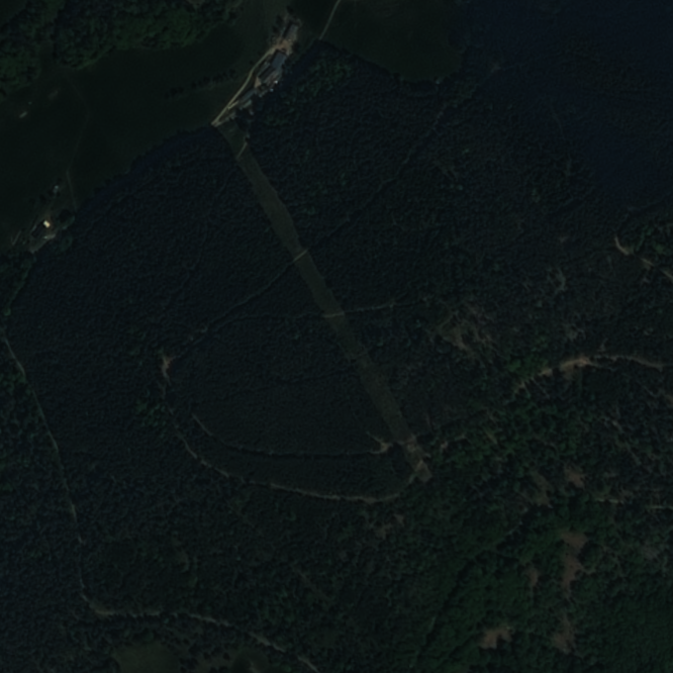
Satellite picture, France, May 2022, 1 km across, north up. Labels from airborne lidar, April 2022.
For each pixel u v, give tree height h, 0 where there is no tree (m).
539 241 21
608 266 15
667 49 22
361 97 29
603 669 18
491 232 23
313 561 10
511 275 24
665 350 12
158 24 31
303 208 19
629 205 20
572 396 12
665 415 6
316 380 23
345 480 15
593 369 10
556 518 31
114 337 23
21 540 24
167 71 0
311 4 0
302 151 26
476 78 20
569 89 18
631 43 20
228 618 14
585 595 15
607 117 22
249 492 9
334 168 22
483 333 23
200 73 0
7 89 9
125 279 26
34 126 0
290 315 19
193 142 26
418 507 13
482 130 21
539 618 16
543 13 32
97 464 16
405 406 18
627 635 24
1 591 23
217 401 19
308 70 20
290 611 12
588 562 15
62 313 26
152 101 0
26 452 29
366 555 11
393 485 18
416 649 12
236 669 0
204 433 9
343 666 9
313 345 22
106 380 27
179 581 12
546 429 27
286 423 20
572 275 17
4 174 0
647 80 19
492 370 21
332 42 0
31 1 20
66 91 0
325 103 25
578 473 8
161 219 26
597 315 23
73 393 28
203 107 0
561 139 7
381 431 17
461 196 17
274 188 15
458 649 23
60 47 24
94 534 22
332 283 19
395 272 11
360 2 0
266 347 24
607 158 21
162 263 30
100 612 0
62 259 18
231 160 24
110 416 27
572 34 23
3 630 21
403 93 19
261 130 21
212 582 12
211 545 9
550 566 22
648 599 22
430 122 22
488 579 30
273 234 17
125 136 0
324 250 19
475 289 22
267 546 10
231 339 21
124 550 10
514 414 29
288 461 18
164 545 11
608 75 19
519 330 27
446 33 0
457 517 16
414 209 10
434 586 8
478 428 27
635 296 9
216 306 18
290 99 23
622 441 23
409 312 9
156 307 23
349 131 22
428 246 12
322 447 18
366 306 13
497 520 10
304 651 23
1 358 25
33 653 17
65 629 20
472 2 19
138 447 21
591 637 12
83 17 32
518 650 22
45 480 25
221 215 22
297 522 9
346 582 7
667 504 10
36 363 22
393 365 12
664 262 16
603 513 17
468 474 13
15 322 15
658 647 23
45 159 0
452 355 20
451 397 21
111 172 0
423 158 19
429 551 9
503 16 33
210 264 17
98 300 26
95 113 0
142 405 22
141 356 26
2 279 16
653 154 21
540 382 19
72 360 23
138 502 27
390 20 0
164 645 13
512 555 23
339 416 20
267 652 14
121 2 28
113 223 26
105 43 36
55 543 22
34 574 21
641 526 21
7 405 37
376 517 13
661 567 11
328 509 9
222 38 0
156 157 13
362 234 11
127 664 0
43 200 12
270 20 0
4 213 0
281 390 21
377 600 10
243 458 14
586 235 22
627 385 9
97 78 0
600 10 27
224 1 24
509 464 26
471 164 23
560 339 22
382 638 12
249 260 19
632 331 14
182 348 24
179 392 18
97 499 29
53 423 25
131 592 12
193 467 25
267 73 0
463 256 21
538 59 16
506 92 20
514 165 21
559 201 6
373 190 16
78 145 0
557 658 20
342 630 9
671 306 10
